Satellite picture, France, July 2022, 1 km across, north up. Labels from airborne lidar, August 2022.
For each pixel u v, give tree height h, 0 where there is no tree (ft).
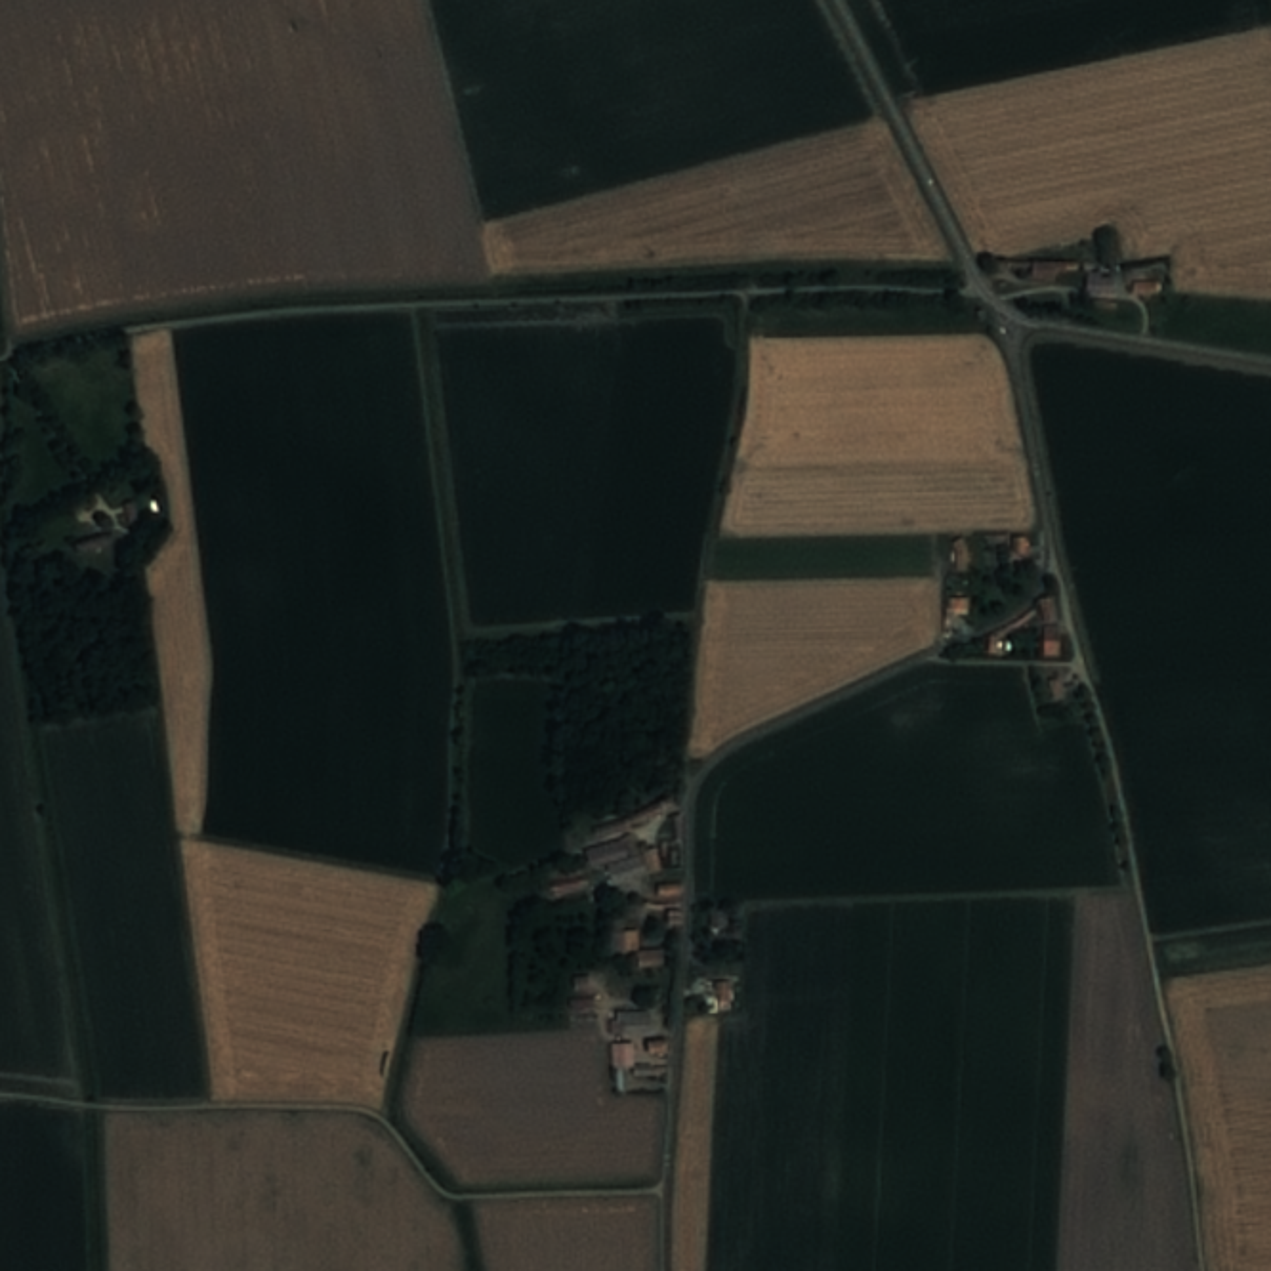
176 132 0
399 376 0
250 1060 0
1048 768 0
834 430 0
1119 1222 0
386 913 0
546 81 0
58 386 0
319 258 0
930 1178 0
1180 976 0
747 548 0
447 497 0
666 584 0
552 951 30
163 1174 0
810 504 0
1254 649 0
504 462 0
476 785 0
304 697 0
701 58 0
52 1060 0
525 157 0
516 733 0
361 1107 0
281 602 0
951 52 0
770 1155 0
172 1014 0
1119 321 0
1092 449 0
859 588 0
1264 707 0
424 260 0
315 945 0
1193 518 0
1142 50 0
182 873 0
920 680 0
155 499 32
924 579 0
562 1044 0
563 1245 0
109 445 0
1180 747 0
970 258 0
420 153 0
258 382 0
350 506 0
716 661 0
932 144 0
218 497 0
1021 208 0
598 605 0
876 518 0
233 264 0
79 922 0
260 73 0
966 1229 0
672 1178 0
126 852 0
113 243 0
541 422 0
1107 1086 0
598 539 0
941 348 0
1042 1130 0
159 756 0
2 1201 0
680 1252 0
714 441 0
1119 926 0
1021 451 0
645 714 97
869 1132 0
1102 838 0
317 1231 0
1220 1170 0
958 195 0
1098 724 28
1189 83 0
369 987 0
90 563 0
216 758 0
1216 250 0
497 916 0
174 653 0
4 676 0
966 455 0
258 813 0
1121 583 0
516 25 0
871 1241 0
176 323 0
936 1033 0
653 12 0
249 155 0
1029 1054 0
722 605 0
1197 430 0
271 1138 0
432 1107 0
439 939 65
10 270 0
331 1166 0
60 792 0
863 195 0
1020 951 0
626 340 0
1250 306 0
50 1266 0
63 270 0
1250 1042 0
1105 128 0
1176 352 0
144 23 0
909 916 0
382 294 0
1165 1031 0
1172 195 0
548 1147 0
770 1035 0
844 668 0
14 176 0
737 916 55
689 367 0
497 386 0
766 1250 0
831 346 0
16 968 0
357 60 0
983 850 0
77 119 0
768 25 0
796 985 0
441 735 0
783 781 0
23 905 0
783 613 0
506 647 30
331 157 0
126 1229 0
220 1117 0
